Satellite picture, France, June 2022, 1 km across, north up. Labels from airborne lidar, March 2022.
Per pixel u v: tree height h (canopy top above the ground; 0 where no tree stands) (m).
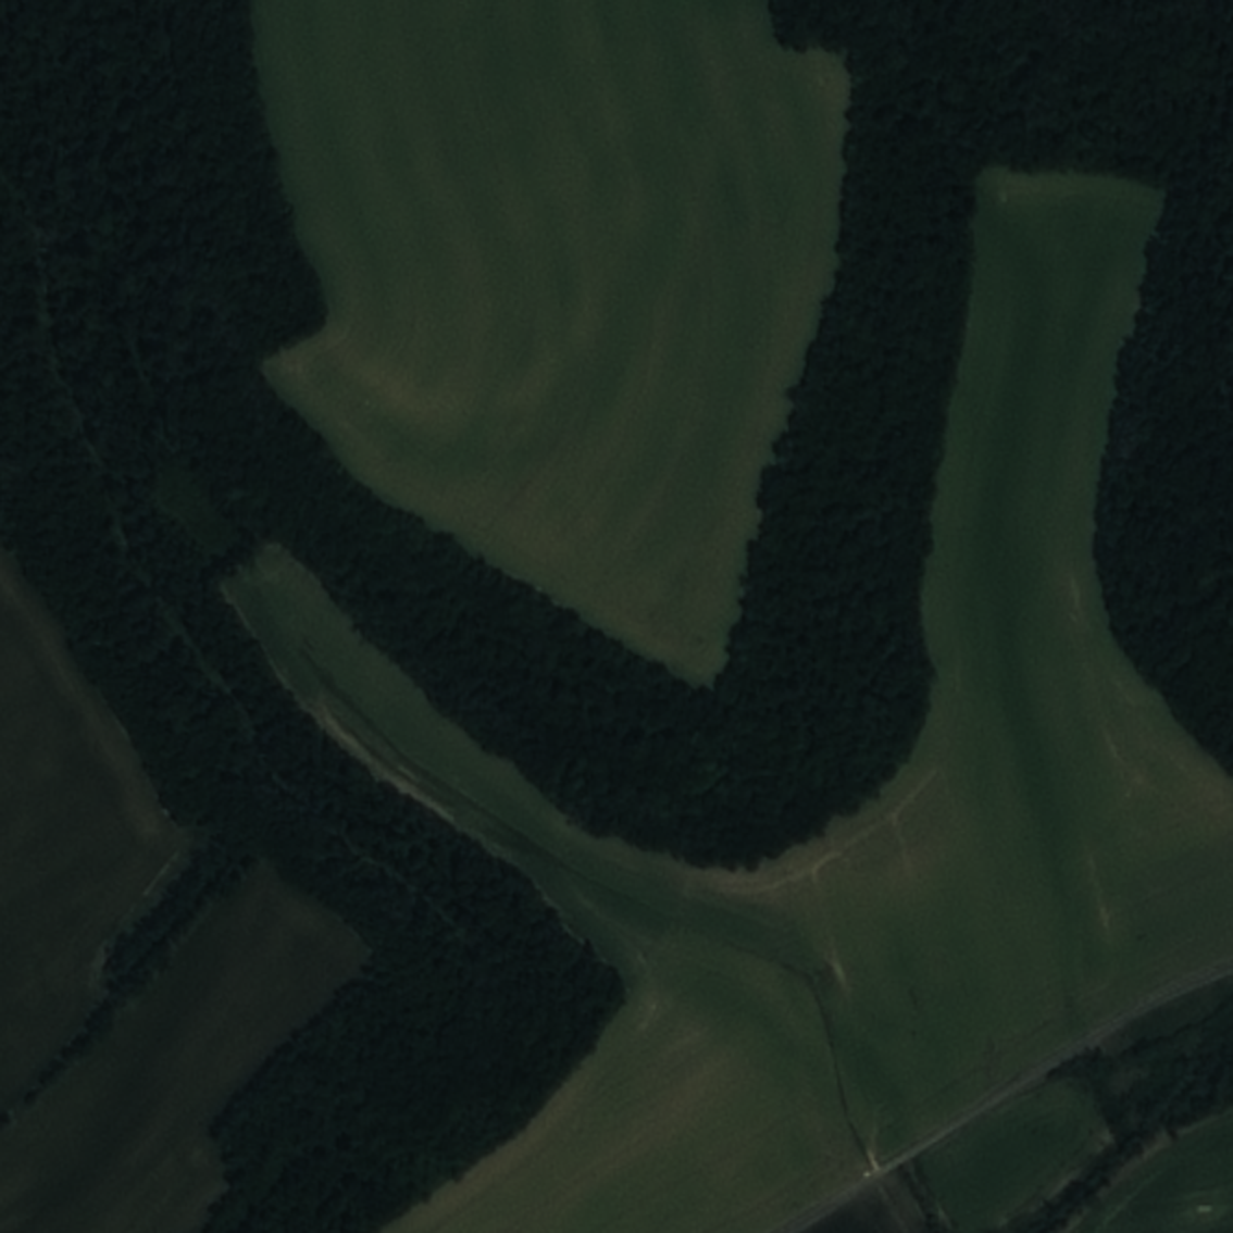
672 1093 0
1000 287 0
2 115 11
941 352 17
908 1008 0
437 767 0
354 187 0
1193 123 16
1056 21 16
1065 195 0
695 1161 0
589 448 0
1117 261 0
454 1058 18
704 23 0
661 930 0
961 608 0
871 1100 0
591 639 20
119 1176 0
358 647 0
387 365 0
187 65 20
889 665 17
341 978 0
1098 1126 0
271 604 0
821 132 0
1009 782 0
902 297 22
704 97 0
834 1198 0
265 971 0
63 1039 0
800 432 15
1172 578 20
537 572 0
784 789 21
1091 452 0
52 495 15
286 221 18
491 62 0
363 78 0
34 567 14
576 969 18
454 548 14
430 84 0
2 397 22
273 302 22
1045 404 0
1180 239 19
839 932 0
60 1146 0
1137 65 21
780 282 0
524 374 0
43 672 0
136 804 0
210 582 18
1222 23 25
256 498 26
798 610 19
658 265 0
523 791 0
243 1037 0
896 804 0
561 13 0
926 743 0
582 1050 12
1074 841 0
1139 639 21
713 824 21
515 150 0
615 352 0
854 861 0
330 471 20
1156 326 18
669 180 0
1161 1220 0
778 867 0
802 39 18
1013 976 0
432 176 0
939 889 0
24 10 26
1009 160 18
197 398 21
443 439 0
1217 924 0
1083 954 0
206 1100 0
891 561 25
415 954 22
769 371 0
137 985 18
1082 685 0
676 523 0
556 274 0
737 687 11
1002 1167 0
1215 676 9
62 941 0
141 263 20
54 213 20
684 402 0
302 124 0
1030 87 22
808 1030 0
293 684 0
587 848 0
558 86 0
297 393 0
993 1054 0
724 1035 0
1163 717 0
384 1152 18
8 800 0
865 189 20
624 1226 0
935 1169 0
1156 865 0
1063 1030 0
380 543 20
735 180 0
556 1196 0
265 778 26
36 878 0
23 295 11
